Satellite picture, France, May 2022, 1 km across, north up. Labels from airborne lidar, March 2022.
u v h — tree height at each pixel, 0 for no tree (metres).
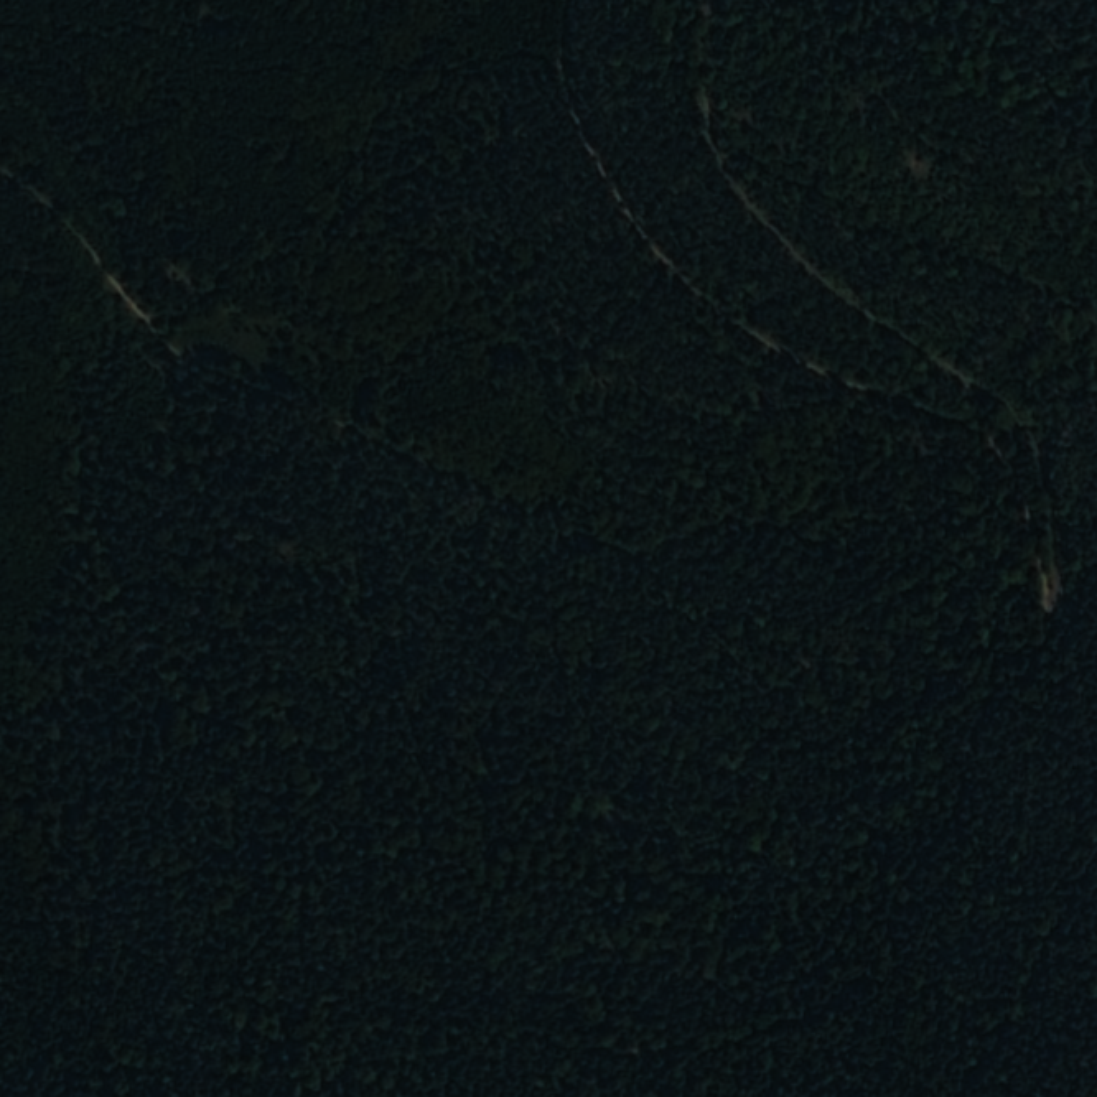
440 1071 33
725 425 25
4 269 21
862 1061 18
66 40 24
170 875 29
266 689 36
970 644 24
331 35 23
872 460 34
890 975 23
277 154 20
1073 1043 29
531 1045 23
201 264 24
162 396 9
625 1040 35
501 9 23
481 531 26
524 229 32
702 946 33
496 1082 27
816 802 32
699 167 26
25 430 14
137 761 14
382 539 9
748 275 32
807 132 9
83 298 12
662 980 20
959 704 32
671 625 16
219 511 41
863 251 30
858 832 28
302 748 16
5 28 20
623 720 36
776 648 31
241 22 21
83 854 34
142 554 34
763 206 16
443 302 14
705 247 32
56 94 28
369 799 35
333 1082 23
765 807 28
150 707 27
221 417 22
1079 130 34
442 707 15
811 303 29
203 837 35
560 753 36
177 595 37
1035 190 21
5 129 17
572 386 34
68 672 49
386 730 36
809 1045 29
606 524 8
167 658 29
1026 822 27
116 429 17
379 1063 27
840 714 38
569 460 11
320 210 22
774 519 28
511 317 29
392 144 29
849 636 29
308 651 37
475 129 42
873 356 34
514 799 29
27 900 27
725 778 32
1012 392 13
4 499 16
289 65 19
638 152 30
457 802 35
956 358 8
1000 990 27
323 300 24
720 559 37
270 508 40
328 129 14
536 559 10
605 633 31
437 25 15
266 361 0
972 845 34
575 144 35
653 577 26
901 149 12
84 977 17
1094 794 31
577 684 35
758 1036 29
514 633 32
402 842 29
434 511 38
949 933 28
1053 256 13
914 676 33
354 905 36
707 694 33
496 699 33
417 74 23
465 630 28
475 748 27
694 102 26
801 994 14
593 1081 21
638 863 29
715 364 38
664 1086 17
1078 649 30
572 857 23
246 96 19
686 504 32
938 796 33
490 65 16
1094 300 11
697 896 32
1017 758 28
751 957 35
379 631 32
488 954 32
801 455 28
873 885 28
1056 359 14
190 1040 26
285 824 36
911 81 28
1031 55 33
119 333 14
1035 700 30
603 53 23
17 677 12
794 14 17
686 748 32
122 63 22
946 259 21
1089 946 28
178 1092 15
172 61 20
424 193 35
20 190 20
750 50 12
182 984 19
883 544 29
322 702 38
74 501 27
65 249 12
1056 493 22
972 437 27
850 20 27
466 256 22
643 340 37
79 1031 27
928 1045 25
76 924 25
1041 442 11
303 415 25
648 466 30
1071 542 27
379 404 24
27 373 15
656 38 27
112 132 27
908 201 9
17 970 23
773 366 33
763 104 11
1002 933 32
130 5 24
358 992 27
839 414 26
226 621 32
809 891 17
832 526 26
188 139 23
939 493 35
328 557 8
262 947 28
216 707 34
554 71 33
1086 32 32
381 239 24
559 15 11
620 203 37
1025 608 32
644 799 42
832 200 16
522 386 32
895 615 33
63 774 39
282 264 24
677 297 36
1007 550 8
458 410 12
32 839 21
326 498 37
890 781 26
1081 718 31
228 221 22
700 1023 34
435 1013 37
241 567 32
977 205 11
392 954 27
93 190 13
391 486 31
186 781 37
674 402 28
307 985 27
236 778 37
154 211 26
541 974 31
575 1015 32
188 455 24
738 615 27
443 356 17
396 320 17
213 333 0
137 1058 21
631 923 30
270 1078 27
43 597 18
